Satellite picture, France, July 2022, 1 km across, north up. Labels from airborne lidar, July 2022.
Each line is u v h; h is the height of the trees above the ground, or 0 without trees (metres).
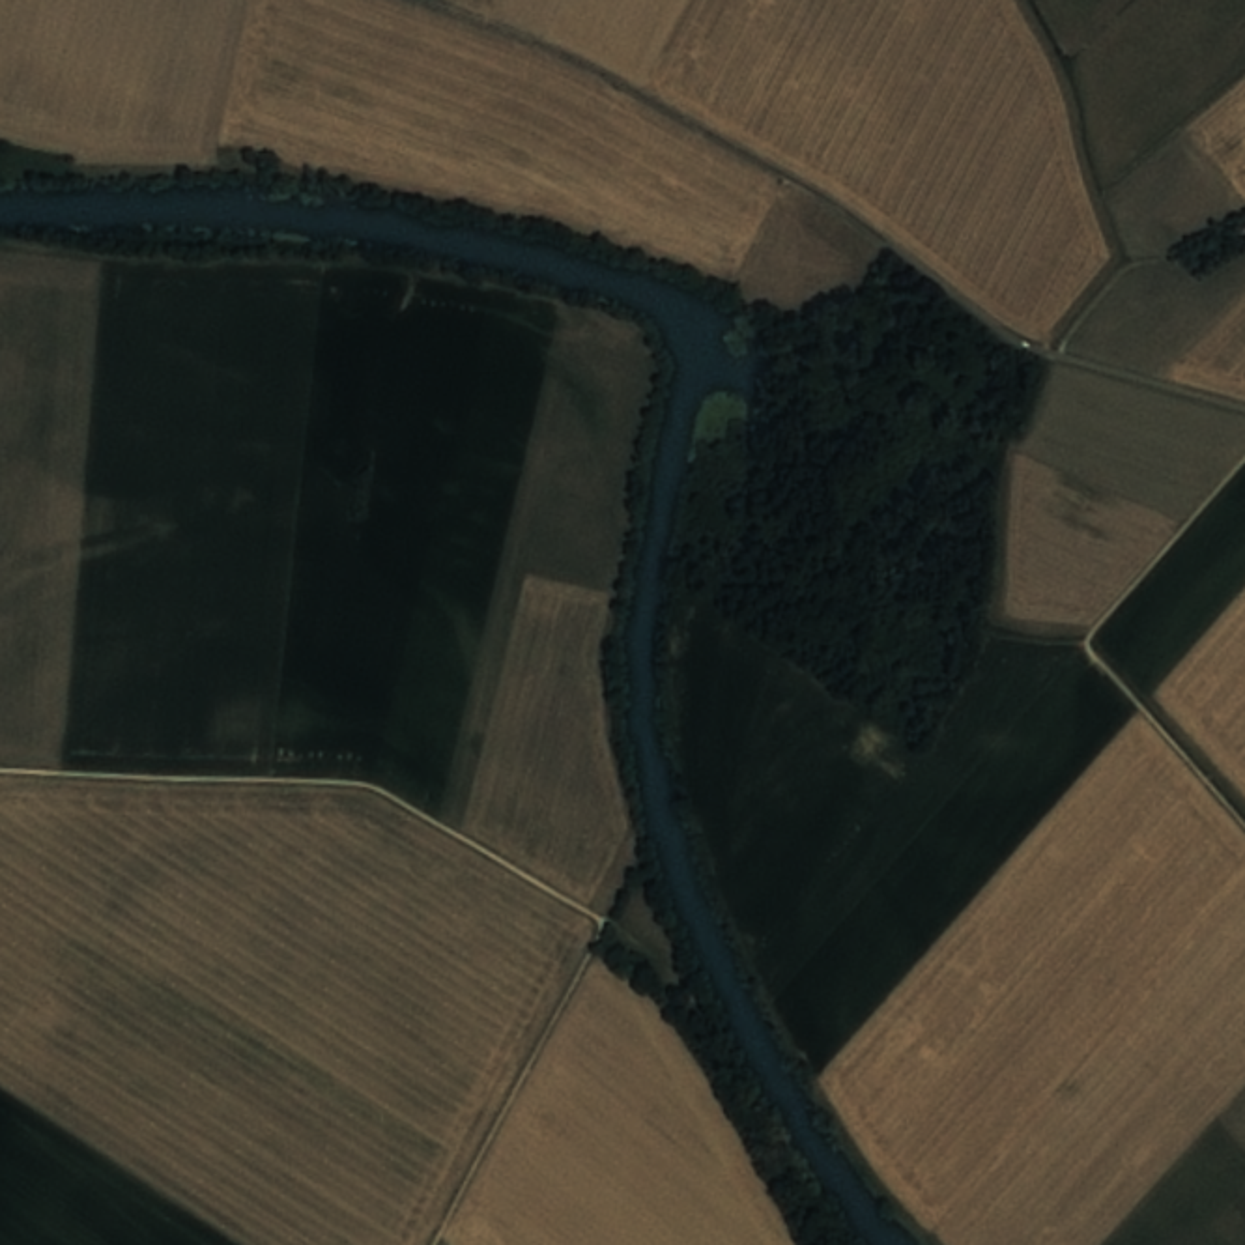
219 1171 0
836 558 17
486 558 0
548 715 0
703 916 0
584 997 0
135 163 0
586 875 0
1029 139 0
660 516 0
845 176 0
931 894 0
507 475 0
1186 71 0
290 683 0
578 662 0
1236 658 0
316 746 0
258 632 0
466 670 0
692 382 0
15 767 0
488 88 0
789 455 31
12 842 0
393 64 0
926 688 13
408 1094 0
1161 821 0
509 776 0
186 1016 0
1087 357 0
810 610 16
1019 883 0
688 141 0
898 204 0
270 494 0
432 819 0
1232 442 0
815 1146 0
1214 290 0
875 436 20
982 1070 0
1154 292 0
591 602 0
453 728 0
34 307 0
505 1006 0
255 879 0
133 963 0
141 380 0
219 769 0
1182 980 0
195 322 0
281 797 0
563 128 0
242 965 0
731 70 0
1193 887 0
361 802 0
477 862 0
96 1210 0
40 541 0
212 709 0
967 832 0
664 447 0
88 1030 0
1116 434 0
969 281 0
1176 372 0
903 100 0
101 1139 0
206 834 0
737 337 0
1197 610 0
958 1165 0
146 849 0
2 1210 0
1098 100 0
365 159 0
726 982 0
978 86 0
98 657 0
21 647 0
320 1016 0
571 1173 0
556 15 0
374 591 0
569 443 0
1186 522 0
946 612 26
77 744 0
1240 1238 0
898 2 0
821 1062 0
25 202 0
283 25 0
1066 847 0
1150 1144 0
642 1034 0
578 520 0
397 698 0
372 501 0
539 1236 0
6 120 0
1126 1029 0
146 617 0
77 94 0
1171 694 0
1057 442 0
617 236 0
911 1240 0
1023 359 9
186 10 0
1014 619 0
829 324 27
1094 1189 0
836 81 0
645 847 13
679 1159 0
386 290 0
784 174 0
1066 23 0
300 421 0
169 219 0
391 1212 0
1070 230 0
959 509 30
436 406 0
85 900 0
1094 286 0
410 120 0
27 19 0
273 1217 0
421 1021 0
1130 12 0
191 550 0
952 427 25
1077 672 0
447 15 0
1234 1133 0
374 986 0
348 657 0
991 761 0
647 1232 0
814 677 7
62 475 0
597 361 0
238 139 0
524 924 0
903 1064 0
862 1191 0
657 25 0
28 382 0
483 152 0
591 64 0
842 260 0
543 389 0
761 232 0
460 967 0
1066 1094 0
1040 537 0
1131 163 0
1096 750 0
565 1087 0
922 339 16
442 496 0
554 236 13
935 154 0
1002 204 0
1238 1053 0
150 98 0
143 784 0
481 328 0
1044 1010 0
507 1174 0
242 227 0
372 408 0
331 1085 0
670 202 0
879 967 0
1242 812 0
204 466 0
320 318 0
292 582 0
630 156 0
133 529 0
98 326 0
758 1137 12
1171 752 0
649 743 0
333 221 0
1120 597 0
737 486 10
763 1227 0
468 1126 0
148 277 0
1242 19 0
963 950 0
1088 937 0
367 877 0
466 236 0
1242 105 0
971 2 0
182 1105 0
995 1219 0
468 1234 0
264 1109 0
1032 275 0
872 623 14
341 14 0
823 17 0
